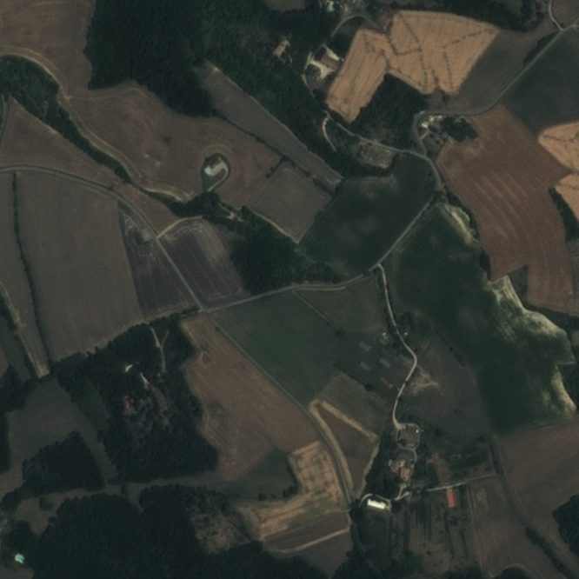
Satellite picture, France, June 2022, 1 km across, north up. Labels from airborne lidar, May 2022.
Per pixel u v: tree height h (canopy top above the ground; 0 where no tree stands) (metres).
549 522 0
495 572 0
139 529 20
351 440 0
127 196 0
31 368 11
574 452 0
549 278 0
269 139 0
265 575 12
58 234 0
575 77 0
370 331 0
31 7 0
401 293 0
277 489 0
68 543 20
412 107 8
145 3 18
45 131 0
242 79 14
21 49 0
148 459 15
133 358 14
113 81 8
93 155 12
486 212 0
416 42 0
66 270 0
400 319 6
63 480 10
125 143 0
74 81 0
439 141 7
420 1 0
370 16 0
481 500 0
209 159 8
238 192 0
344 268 0
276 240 9
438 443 0
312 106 10
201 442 12
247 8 9
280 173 0
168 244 0
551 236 0
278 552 0
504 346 0
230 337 0
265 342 0
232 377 0
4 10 0
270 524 0
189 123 0
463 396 0
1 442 19
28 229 0
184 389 6
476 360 0
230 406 0
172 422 19
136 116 0
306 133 15
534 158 0
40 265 0
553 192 10
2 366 0
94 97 0
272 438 0
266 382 0
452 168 0
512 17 15
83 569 14
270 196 0
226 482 0
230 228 11
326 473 0
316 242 0
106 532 16
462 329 0
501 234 0
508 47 0
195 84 14
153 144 0
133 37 10
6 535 7
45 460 14
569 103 0
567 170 0
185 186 0
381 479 0
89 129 0
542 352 0
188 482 0
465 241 0
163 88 22
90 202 0
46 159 0
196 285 0
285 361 0
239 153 0
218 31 6
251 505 0
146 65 20
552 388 0
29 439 0
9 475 0
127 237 0
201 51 8
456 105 0
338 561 0
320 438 0
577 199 0
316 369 0
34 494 14
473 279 0
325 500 0
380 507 0
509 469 0
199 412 17
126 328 0
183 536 14
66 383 31
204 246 0
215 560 11
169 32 12
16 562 0
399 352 11
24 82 8
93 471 16
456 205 13
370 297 0
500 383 0
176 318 7
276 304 0
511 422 0
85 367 20
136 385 15
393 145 6
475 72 0
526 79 0
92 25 7
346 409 0
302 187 0
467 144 0
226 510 12
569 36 0
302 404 0
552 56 0
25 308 0
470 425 0
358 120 9
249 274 9
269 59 9
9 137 0
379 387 0
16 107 0
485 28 0
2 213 0
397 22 0
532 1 10
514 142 0
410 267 0
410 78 0
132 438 17
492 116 0
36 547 18
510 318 0
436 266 0
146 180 0
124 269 0
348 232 0
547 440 0
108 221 0
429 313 0
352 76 0
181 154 0
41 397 0
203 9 9
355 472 0
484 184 0
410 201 0
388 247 0
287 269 8
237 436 0
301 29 12
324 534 0
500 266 0
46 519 0
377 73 0
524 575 16
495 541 0
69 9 0
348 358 0
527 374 0
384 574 15
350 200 0
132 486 0
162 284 0
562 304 0
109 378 12
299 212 0
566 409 0
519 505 0
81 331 0
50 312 0
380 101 11
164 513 14
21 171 0
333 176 0
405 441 10
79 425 0
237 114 0
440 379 0
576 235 8
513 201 0
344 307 0
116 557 14
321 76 0
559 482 0
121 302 0
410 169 0
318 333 0
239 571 8
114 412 8
